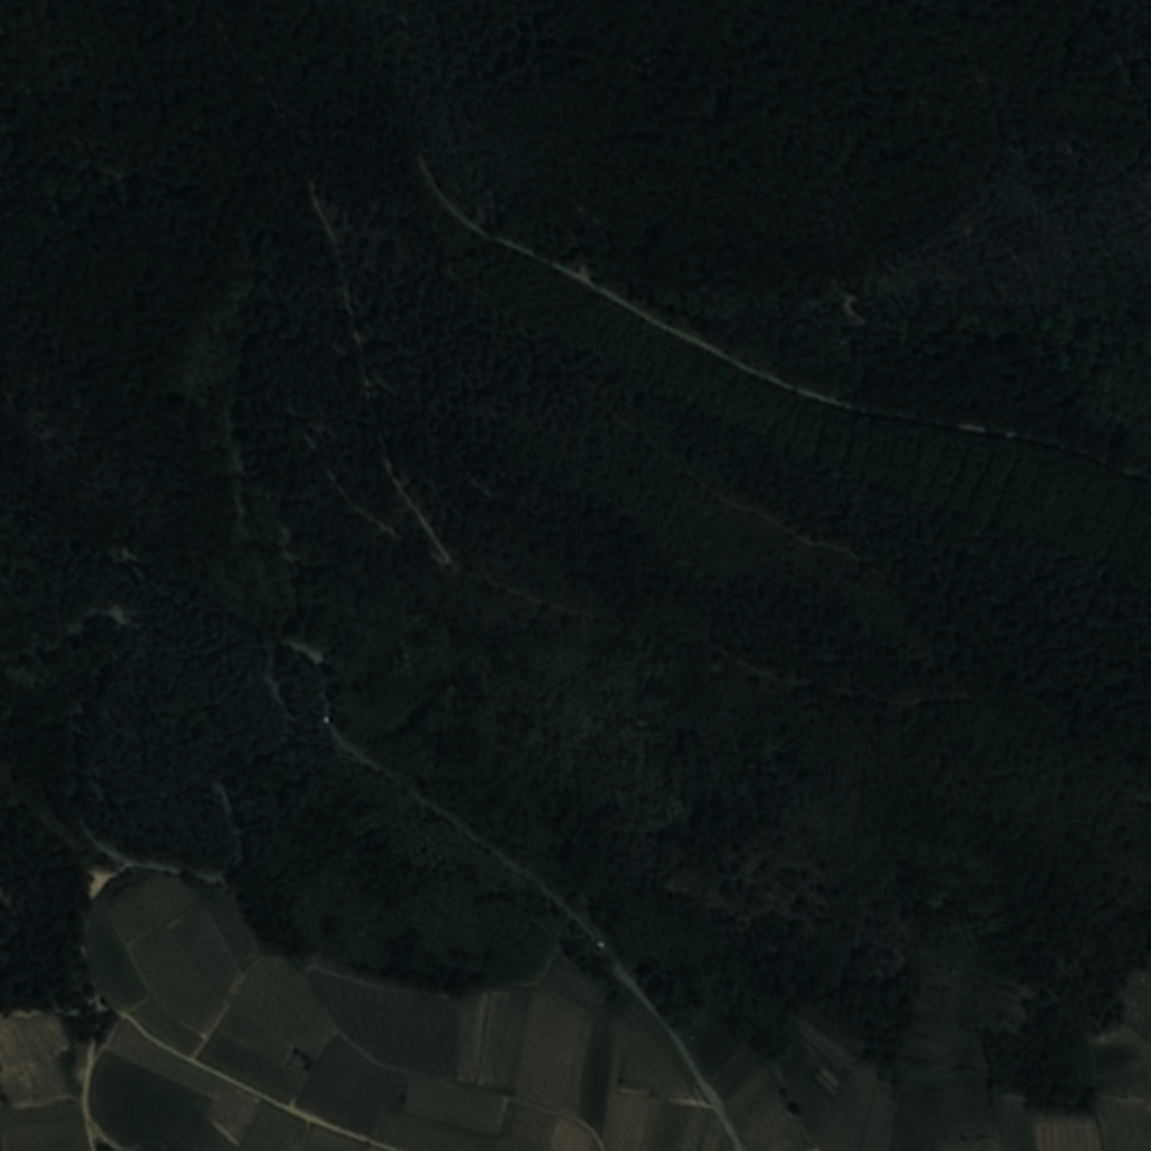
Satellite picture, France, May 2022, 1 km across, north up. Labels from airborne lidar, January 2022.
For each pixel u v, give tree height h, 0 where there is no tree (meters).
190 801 28
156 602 30
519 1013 0
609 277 21
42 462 20
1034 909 7
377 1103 0
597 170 20
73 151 20
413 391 10
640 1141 0
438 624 9
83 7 23
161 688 28
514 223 16
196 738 30
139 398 24
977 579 12
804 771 7
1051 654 12
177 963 0
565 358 14
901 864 12
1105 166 21
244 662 27
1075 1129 0
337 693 20
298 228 14
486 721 15
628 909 16
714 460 13
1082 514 18
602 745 12
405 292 13
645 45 22
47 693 20
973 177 21
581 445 10
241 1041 0
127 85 23
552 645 6
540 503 17
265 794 26
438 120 16
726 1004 20
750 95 25
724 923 13
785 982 7
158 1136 0
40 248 23
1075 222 26
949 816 12
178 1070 0
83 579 25
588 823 16
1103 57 27
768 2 25
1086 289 26
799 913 11
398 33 15
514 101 16
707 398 13
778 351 21
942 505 17
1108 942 11
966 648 16
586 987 0
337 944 9
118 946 0
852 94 24
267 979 0
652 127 22
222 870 10
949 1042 0
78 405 18
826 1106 0
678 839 10
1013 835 10
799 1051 0
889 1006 13
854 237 24
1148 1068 0
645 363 10
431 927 0
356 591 14
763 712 8
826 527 9
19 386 18
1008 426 16
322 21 22
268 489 22
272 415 20
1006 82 17
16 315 14
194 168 21
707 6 24
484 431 7
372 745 22
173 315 18
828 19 22
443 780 20
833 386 16
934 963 0
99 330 7
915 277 26
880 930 8
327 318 18
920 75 24
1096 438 24
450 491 14
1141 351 21
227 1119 0
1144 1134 0
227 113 23
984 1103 0
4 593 20
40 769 26
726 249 25
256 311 20
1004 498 17
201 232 22
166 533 23
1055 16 27
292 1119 0
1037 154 20
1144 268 23
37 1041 0
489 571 8
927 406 21
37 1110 0
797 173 20
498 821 10
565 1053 0
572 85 15
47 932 18
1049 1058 9
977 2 28
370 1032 0
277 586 22
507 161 17
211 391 18
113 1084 0
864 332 24
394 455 16
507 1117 0
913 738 9
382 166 21
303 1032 0
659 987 19
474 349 13
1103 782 9
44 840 12
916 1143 0
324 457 14
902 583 12
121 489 21
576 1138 0
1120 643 8
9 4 18
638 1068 0
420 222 20
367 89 22
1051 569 17
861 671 16
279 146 21
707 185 21
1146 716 19
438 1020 0
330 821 19
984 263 26
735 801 12
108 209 25
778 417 13
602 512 14
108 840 16
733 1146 0
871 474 15
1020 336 18
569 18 18
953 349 26
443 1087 0
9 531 22
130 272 13
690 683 10
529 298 10
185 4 23
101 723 20
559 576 7
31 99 23
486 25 20
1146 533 19
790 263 28
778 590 8
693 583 7
